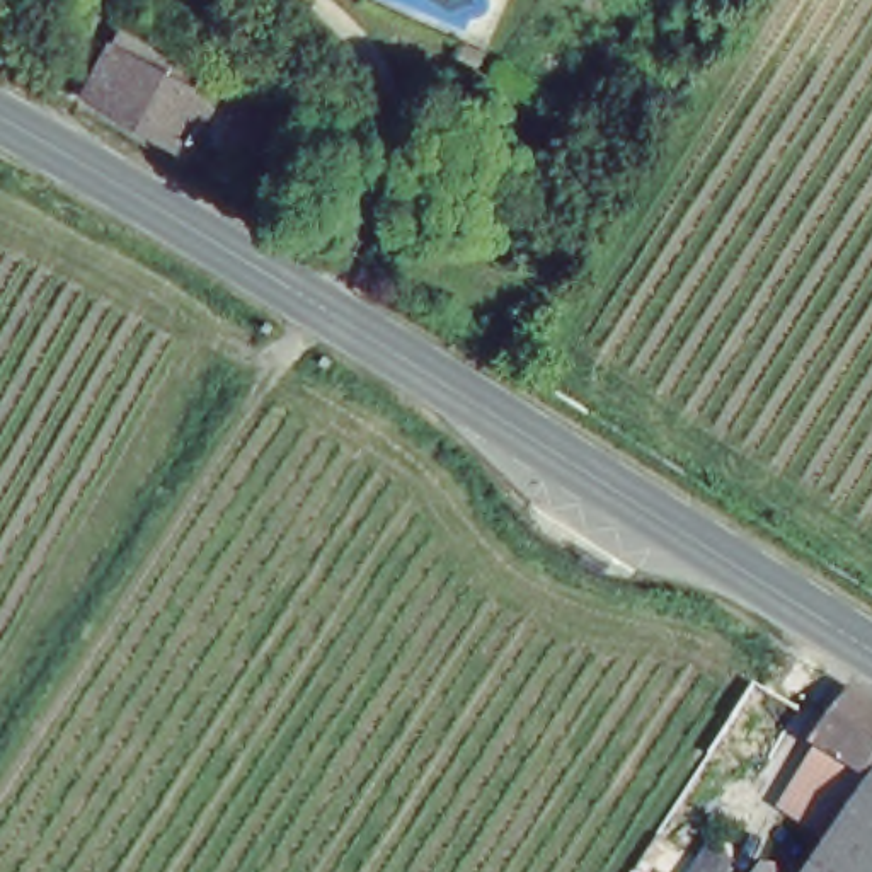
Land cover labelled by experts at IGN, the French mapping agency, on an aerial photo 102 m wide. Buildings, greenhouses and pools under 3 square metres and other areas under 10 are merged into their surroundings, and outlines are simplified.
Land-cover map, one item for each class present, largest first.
<instances>
[{"label":"vineyard","instance_id":"1","mask_svg":"<svg viewBox=\"0 0 872 872\"><path fill-rule=\"evenodd\" d=\"M770 14L763 20L756 44L746 55L739 75L722 95V109H712L709 129L685 157L674 187L664 194L657 211L647 218V225L637 232V238L627 245L623 259L613 266L606 279L603 296L582 313V320L569 334V344L579 358H596L627 382H634L637 375L644 382H654V395L664 399L668 409L685 416L695 429H705L709 436L722 439L729 450H756L760 456H770V470H777L783 480H797L807 494L794 521L821 538H831V545L838 548L862 552L872 562V0H766ZM20 249H10L7 259L0 255V637L7 634V623L14 620L31 579L44 565L55 538L61 535L72 508L78 504L89 477L95 473L102 453L109 450L116 429L123 426L167 341L157 334H143L136 327L143 320L140 313H126V320L116 317L106 296L92 303L68 283H51V266L27 269L20 262ZM293 405L273 395V388L259 368L252 375L245 399L221 422L218 446L201 460L198 477L184 487L167 528L160 531L146 559L136 565L116 606L109 610L95 637L85 644L82 657L72 664L68 678L58 685L48 709L37 715L27 743L10 756L0 777V872H617L678 790L698 746V736L705 732L719 698L726 695V685L712 671L695 674V668L688 664L685 671L674 668L668 681L674 688L661 702V709H654V719L640 722L634 712L651 691V681H644V674H657V664H630L634 674L623 685L610 678L613 661L596 664L589 651L579 657L555 640L538 644V651L528 661H521V651L535 640V630L521 623L525 613H508L497 603H487L480 589H470L467 576H456V555H439L436 569L416 562L422 548L433 542L436 521L429 514H412V484L392 477L382 480V487L371 484L375 463H337L341 443L327 450V460L320 463L317 477H310L307 467L320 439H313L310 450L300 446L307 426L293 429L283 422V412Z\"/></svg>","mask_w":872,"mask_h":872},{"label":"herbaceous vegetation","instance_id":"2","mask_svg":"<svg viewBox=\"0 0 872 872\"><path fill-rule=\"evenodd\" d=\"M361 27L358 37L382 41L368 65L371 75H378L382 68H405L409 75L422 68L460 72L463 65L456 55L463 37L422 24L409 14L382 0H334ZM674 0H508L491 34V48L484 61L473 68L480 82L494 75L521 102L514 112L518 140L528 150H545L555 136H569L572 109L589 106V85L620 68V58L610 55L600 41L582 48L579 65L572 68H555V51L562 44H576V31L589 17H617L613 24V34L627 44L634 24L647 20L651 14L668 17ZM746 55H726L719 48V55H712L691 75L688 102L668 126L671 153L657 170L647 174L644 194H634L630 208L613 218L606 238L586 249L582 262L606 279L613 266L623 259L627 245L637 238V232L647 225V218L657 211L664 194L674 187L685 157L709 129L712 109H722V95L739 75ZM85 89L82 78L68 82V92L48 109L55 119L92 136L116 157L140 153L167 181L170 191L211 201L221 215L242 218L255 242L262 232L255 215L259 181L249 170H238V157L252 150V112L262 102L255 95H238L215 106L208 119H191L181 129L194 140L191 150L167 153L153 143L143 146L126 129L89 112L78 95ZM10 249H20V262L27 269L51 266V283H68L92 303L106 296L116 317L126 320V313H140L143 320L136 327L143 334H157L167 341L123 426L116 429L109 450L102 453L95 473L89 477L78 504L72 508L61 535L55 538L44 565L31 579L14 620L7 623V634L0 637V777L10 756L27 743L37 715L48 709L58 685L68 678L72 664L82 657L85 644L95 637L109 610L116 606L136 565L146 559L160 531L167 528L184 487L198 477L201 460L218 446L221 422L245 399L252 375L259 368L262 344H276L283 337L286 320L276 310L242 296L228 283L208 276L184 255L150 238L146 232L133 228L129 221L109 215L95 201L0 153V255L7 259ZM582 262L565 252L542 255L538 249L508 245L494 259L463 266H422V259H402L399 273L416 283H433L443 290V300L463 303L473 317H487V327L463 341V354L477 368H487L518 330V324L511 320V307L528 303L531 310H538V303L521 286L528 273H538L555 290ZM569 371L562 375V392H555L542 405L562 426L586 436L600 450L620 456L623 463H630L654 484L668 487L681 501L695 504L709 518L736 528L766 555L800 569L818 586L838 593L858 610L872 606V562L862 552L838 548L831 545V538H821L794 521L807 494L797 480H783L777 470H770V456H760L756 450H729L722 439L709 436L705 429H695L685 416L668 409L664 399L654 395V382H644L637 375L634 382H627L596 358H579L569 344ZM273 395L293 405L283 412V422L293 429L307 426L300 446L310 450L313 439H320L307 467L310 477H317L320 463L327 460V450L341 443L337 463H375L371 484L382 487V480L392 477L412 484V514H429L436 521L433 542L422 548L416 562L436 569L439 555H456V576H467L470 589H480L487 603H497L508 613H525L521 623L535 630V640L521 651V661H528L538 651V644L555 640L579 657L589 651L596 664L613 661L610 678L623 685L634 674L630 664H657V674H644V681H651V691L634 712L640 722L654 719V709H661V702L674 688L668 681L674 668L685 671L688 664L695 668V674L712 671L726 685V695L719 698L705 732L698 736V746L678 790L617 872H640L637 862L654 845V838L668 841L681 855H695L705 848L722 852V845H739L746 824L722 814V790L743 780L746 773H760L766 766L770 746L780 736L777 715L794 698L783 685L790 664L783 654V630L766 623V617L753 610H743L732 600H719L712 593L671 579L613 576L610 569L603 576H586L576 565L552 562L542 552H535L525 538H518L514 525L504 518L508 497L497 491L491 467L470 446L456 443L450 422H443L419 399L402 395L382 378L368 375L364 368L351 364L334 347H317L303 351L273 388ZM821 838L800 818H790L773 824L766 852L753 855V872H800Z\"/></svg>","mask_w":872,"mask_h":872},{"label":"deciduous trees","instance_id":"3","mask_svg":"<svg viewBox=\"0 0 872 872\"><path fill-rule=\"evenodd\" d=\"M770 14L766 0H674L668 17L651 14L647 20L634 24L627 44L613 34V24L610 34L600 41L610 55L620 58V68L589 85V106L572 109L569 136H555L545 150H528L518 140L514 112L521 102L494 75L480 82L473 68L463 65L460 72L422 68L409 75L405 68H382L378 75H371L368 65L358 61L351 48L354 37H337L313 14L310 0H0V82L20 89L24 99L48 109L68 92V82L82 78L95 65V58H102L106 44L119 31H126L153 44L160 55H167L170 65L184 72V82L215 106L238 95H255L262 102L252 112V150L238 157V170H249L259 181L255 215L262 232L255 242L259 255L296 262L313 276H341L351 290H361L364 296L375 290L378 279L399 273L402 259H422V266H463L494 259L508 245L538 249L542 255L565 252L582 262L586 249L606 238L613 218L630 208L634 194H644L647 174L657 170L671 153L668 126L688 102L691 75L712 55H719V48L726 55H746L756 44L763 20ZM521 286L538 303V310H531L528 303L511 307V320L518 324V330L487 368L491 382L504 385L511 395L525 402L542 405L555 392H562V375L569 371V334L582 320V313L603 296L606 279L582 262L555 290L538 273H528Z\"/></svg>","mask_w":872,"mask_h":872},{"label":"impervious surface","instance_id":"4","mask_svg":"<svg viewBox=\"0 0 872 872\"><path fill-rule=\"evenodd\" d=\"M508 0H487L484 14H477L467 24L426 14L419 7H412L409 14L422 24L463 37L456 55L463 65L473 68L484 61L491 48V34ZM0 153L95 201L109 215L129 221L133 228L146 232L150 238L184 255L208 276L228 283L242 296L276 310L286 320L313 334L320 341L317 347H334L351 364L364 368L368 375L382 378L402 395L419 399L443 422H450L456 443L470 446L491 467L497 491L508 497L504 518L514 525L518 538H525L535 552H542L552 562L576 565L586 576H603L610 569L613 576L671 579L712 593L719 600H732L743 610H753L766 617V623L783 630V654L790 664H797L811 681L835 678L841 688L855 698L872 695V606L858 610L838 593L818 586L800 569L766 555L736 528L709 518L695 504L681 501L668 487L654 484L630 463H623L620 456L600 450L586 436L562 426L542 405L525 402L511 395L504 385L491 382L487 368H477L463 354V341H433L422 330L399 324L385 310L368 307L364 296L361 290H351L341 276H313L296 262L259 255L255 242L242 218L221 215L211 201L170 191L167 181L140 153L116 157L92 136L55 119L48 109L24 99L20 89L0 82ZM695 865V855H681L668 841L654 838V845L637 862L640 872H688Z\"/></svg>","mask_w":872,"mask_h":872},{"label":"building","instance_id":"5","mask_svg":"<svg viewBox=\"0 0 872 872\"><path fill-rule=\"evenodd\" d=\"M85 89L78 95L89 112L126 129L143 146L153 143L167 153L191 150L194 140L181 129L191 119H208L215 106L184 82V72L170 65L167 55H160L153 44L126 31H119L106 44L102 58H95V65L82 78ZM790 818H800L821 838L800 872H872V695L855 698L841 688V695L811 729V753L790 780L787 794L780 797ZM688 872H732V855L722 852L705 848L695 855V865Z\"/></svg>","mask_w":872,"mask_h":872},{"label":"pervious surface","instance_id":"6","mask_svg":"<svg viewBox=\"0 0 872 872\"><path fill-rule=\"evenodd\" d=\"M313 14L337 37H354L351 48L358 61L368 65L382 41L358 37L361 27L334 0H310ZM320 341L313 334L286 320L283 337L276 344H262L259 368L273 388L303 351L317 347ZM783 685L794 698L777 715L780 736L770 746L766 766L760 773H746L743 780L722 790V814L746 824L739 845H722V852L732 855V872H753V855L766 852L773 824L790 818L780 797L787 794L790 780L811 753V729L841 695V688L835 678L811 681L797 664H790Z\"/></svg>","mask_w":872,"mask_h":872},{"label":"brushwood","instance_id":"7","mask_svg":"<svg viewBox=\"0 0 872 872\"><path fill-rule=\"evenodd\" d=\"M617 17H589L576 31V44H562L555 51V68H572L579 65L582 48L600 41L610 34L613 24ZM368 307L385 310L399 324L422 330L433 341H463L487 327V317H473L463 303L443 300V290L433 283H416L399 273L378 279L375 290L364 296Z\"/></svg>","mask_w":872,"mask_h":872},{"label":"swimming pool","instance_id":"8","mask_svg":"<svg viewBox=\"0 0 872 872\"><path fill-rule=\"evenodd\" d=\"M409 14L412 7H419L426 14L467 24L477 14H484L487 0H382Z\"/></svg>","mask_w":872,"mask_h":872}]
</instances>
